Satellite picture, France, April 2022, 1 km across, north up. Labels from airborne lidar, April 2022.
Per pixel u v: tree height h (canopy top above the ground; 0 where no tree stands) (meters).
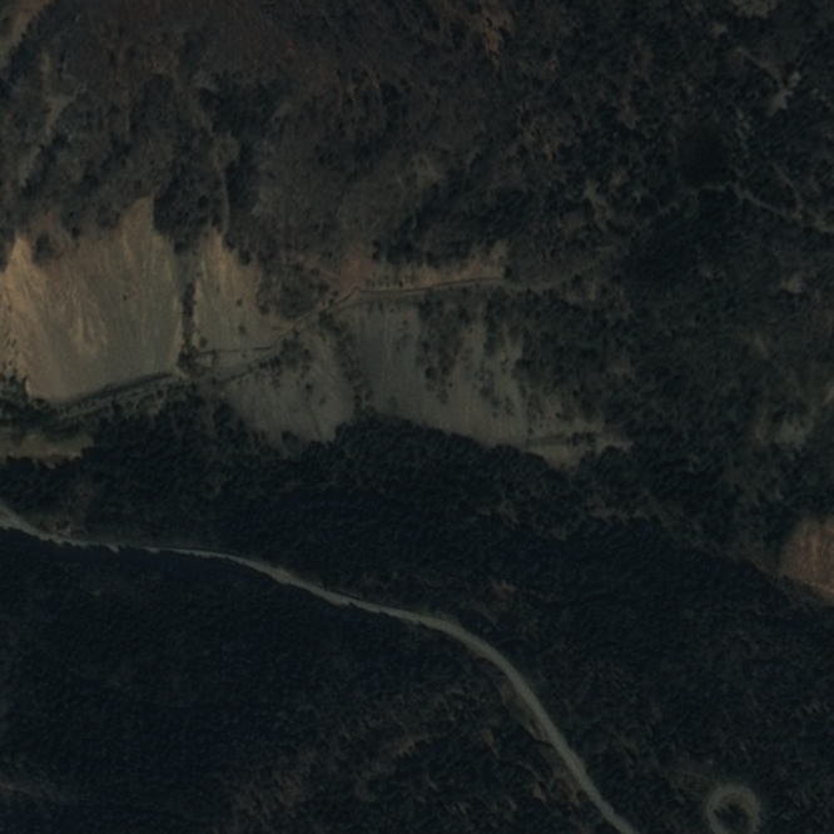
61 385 0
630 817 24
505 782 37
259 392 0
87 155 17
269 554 23
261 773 15
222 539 23
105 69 20
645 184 14
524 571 21
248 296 0
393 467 14
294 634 23
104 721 25
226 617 24
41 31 14
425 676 26
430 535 24
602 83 24
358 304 0
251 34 17
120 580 25
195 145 16
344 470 7
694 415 19
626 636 28
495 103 31
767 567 7
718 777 9
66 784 19
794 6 18
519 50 15
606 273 23
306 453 9
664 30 29
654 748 29
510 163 19
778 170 25
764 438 7
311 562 25
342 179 20
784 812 21
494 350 18
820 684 26
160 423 11
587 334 25
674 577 24
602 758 26
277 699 22
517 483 8
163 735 26
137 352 0
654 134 10
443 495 20
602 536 30
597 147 34
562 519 25
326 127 16
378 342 0
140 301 0
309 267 0
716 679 23
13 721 27
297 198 12
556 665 23
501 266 8
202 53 10
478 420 0
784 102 0
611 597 26
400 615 0
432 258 21
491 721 29
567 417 12
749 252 26
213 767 27
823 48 23
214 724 18
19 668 27
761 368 21
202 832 13
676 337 17
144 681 29
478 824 30
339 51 27
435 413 0
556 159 11
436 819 20
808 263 19
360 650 16
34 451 0
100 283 0
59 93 18
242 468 23
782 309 22
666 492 23
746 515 20
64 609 20
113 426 12
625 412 31
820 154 23
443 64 26
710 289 15
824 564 0
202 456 22
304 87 13
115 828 16
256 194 11
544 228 21
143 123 17
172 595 27
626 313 17
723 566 18
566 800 18
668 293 17
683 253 17
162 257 0
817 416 10
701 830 18
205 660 29
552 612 33
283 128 7
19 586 22
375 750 17
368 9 31
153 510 24
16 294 0
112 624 26
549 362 21
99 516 26
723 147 14
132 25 20
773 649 28
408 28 31
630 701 27
